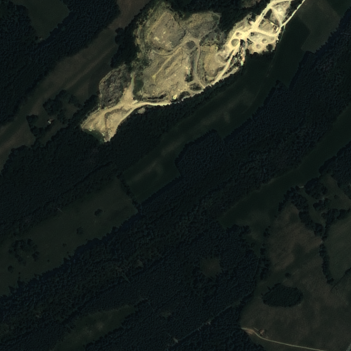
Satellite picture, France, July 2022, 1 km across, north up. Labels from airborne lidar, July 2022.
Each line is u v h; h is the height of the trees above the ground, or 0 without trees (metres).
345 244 0
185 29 0
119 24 0
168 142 0
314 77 14
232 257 25
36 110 0
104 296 26
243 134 22
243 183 27
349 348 0
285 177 0
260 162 20
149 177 0
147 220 32
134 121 16
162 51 0
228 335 22
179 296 26
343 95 6
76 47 22
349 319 0
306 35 0
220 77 0
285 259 0
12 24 21
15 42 20
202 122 0
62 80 0
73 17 26
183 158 23
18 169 15
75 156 17
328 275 20
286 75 0
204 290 12
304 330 0
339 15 0
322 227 24
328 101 19
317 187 32
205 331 26
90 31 17
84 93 0
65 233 0
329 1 0
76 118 17
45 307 16
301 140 26
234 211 0
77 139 17
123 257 19
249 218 0
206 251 29
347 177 23
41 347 23
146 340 23
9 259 0
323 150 0
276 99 22
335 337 0
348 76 6
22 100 24
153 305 22
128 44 15
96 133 0
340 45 30
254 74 0
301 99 16
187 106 24
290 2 0
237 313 26
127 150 15
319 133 29
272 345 0
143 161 0
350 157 22
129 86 0
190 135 0
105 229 0
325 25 0
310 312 0
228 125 0
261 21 0
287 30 0
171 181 0
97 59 0
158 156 0
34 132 22
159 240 21
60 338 23
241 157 8
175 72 0
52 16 0
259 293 0
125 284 26
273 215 0
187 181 26
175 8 14
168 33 0
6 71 16
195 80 0
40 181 20
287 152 17
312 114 21
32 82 7
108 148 15
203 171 25
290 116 20
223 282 22
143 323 21
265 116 22
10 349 25
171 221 12
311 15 0
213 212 30
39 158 20
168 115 23
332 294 0
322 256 16
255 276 20
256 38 0
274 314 0
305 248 0
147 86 0
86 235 0
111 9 24
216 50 0
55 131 0
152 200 23
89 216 0
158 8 0
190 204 14
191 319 24
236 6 27
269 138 7
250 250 9
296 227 0
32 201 19
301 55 0
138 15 8
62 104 19
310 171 0
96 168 13
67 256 0
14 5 22
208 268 0
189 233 31
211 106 0
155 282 23
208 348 12
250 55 7
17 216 20
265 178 32
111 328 0
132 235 33
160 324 25
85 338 0
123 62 23
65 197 23
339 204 0
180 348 26
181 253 26
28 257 0
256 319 0
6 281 0
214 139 22
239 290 30
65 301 20
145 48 0
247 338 31
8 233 30
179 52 0
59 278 30
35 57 25
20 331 22
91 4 23
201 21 0
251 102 0
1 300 9
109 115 0
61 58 18
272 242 0
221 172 12
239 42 0
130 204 0
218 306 27
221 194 25
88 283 19
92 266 27
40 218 24
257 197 0
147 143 16
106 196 0
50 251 0
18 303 17
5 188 19
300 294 7
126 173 0
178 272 22
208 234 22
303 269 0
